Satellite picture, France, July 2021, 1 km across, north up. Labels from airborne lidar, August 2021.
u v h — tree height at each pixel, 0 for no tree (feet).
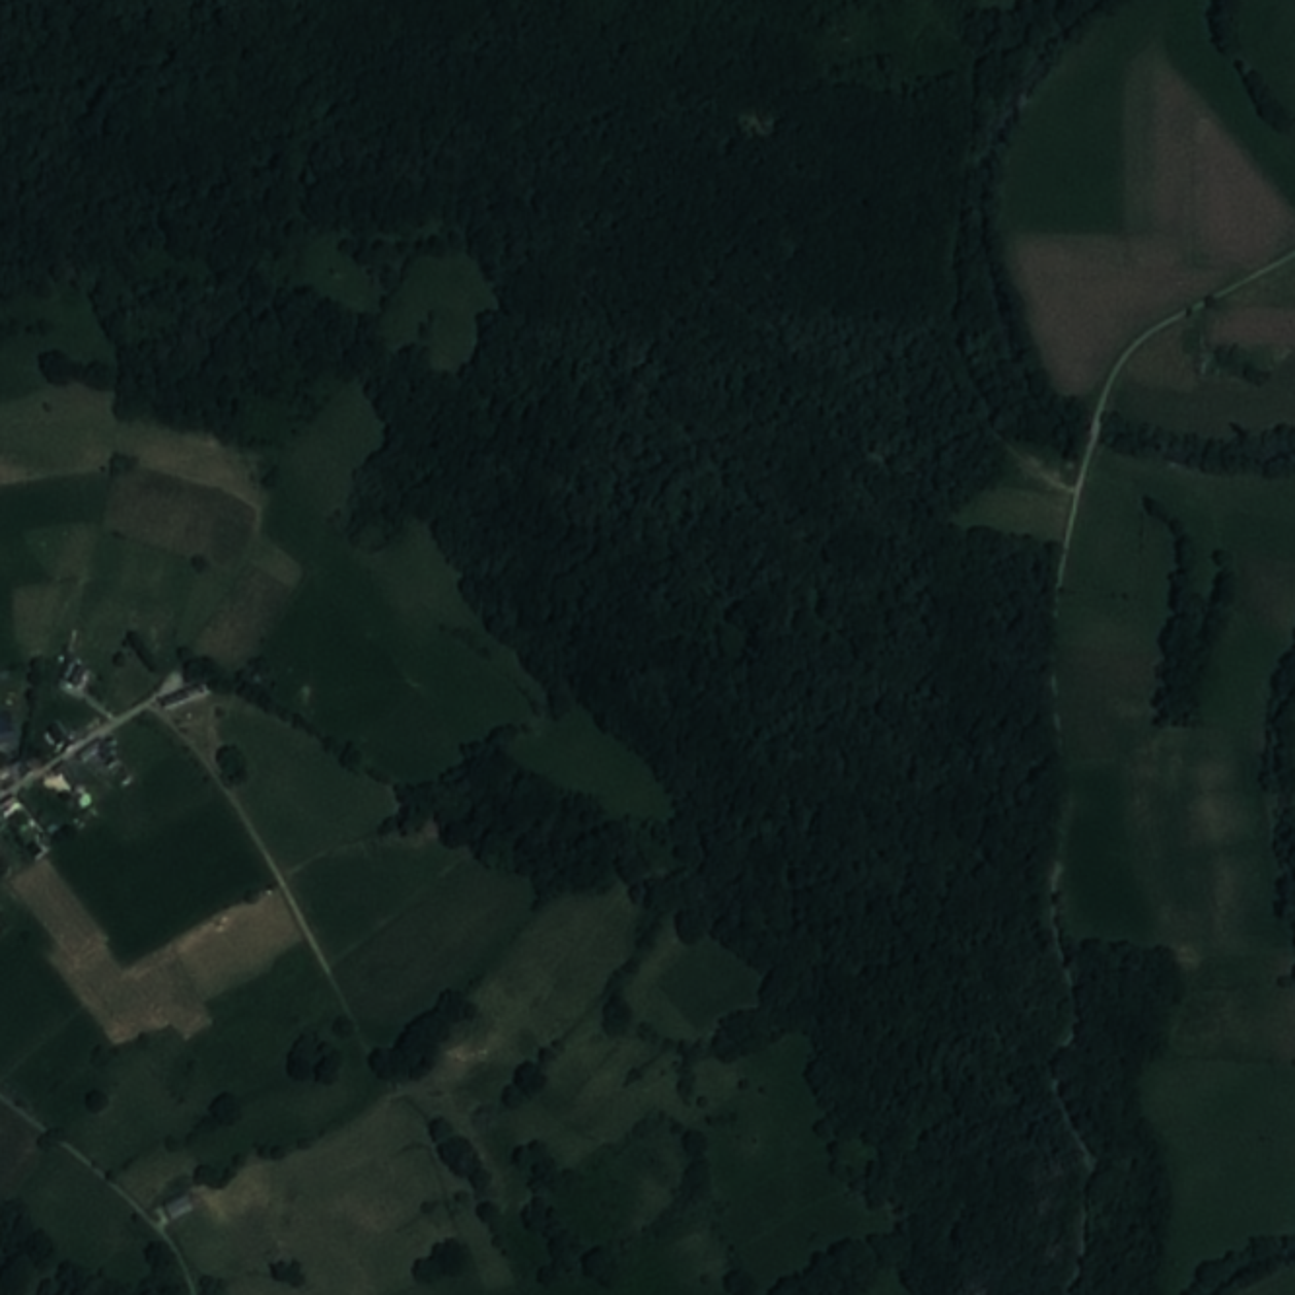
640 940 30
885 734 77
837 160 92
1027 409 53
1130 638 0
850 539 88
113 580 0
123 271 64
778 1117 0
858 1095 75
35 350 0
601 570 86
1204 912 0
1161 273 0
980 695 90
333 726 0
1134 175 0
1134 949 58
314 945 0
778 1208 0
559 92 53
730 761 70
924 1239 93
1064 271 0
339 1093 0
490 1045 0
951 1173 68
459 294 0
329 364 23
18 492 0
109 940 0
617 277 70
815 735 75
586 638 92
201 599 0
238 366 31
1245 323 0
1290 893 77
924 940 73
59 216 81
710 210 82
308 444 0
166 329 29
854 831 97
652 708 54
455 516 82
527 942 0
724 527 67
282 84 59
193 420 23
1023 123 58
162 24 96
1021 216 0
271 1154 31
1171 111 0
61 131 72
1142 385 0
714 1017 0
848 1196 22
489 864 93
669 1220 18
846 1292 57
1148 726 0
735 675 80
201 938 0
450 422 91
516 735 41
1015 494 0
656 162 66
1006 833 114
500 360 82
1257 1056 0
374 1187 0
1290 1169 0
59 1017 0
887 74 63
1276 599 0
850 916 77
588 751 0
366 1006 0
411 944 0
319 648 0
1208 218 0
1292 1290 0
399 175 75
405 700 0
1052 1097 68
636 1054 0
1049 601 55
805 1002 68
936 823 92
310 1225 0
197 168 111
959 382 89
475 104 57
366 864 0
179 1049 0
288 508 0
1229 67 0
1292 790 56
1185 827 0
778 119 47
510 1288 0
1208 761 0
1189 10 0
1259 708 0
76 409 0
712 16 27
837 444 73
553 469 83
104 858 0
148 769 0
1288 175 0
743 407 79
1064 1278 75
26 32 76
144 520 0
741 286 72
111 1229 0
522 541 91
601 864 73
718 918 32
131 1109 0
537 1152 65
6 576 0
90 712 0
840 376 60
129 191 68
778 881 89
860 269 74
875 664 83
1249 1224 0
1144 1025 83
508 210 85
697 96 39
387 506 60
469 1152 46
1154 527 0
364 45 48
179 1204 0
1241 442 29
